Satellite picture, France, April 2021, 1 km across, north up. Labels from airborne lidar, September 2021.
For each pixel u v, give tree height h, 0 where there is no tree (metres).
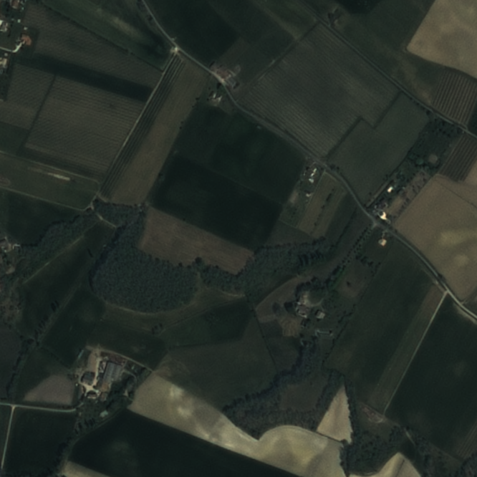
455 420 0
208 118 0
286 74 0
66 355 0
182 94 0
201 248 0
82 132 0
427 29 0
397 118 0
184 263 0
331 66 0
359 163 0
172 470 0
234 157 0
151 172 0
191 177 0
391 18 0
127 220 16
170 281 16
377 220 12
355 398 12
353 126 0
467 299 0
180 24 0
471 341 0
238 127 0
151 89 0
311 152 0
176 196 0
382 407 0
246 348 0
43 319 0
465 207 0
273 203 0
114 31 0
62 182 0
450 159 0
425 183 9
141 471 0
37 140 0
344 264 9
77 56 0
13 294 12
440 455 0
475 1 0
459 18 0
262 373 0
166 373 0
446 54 0
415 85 0
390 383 0
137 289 16
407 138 0
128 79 0
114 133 0
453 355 0
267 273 23
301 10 0
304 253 13
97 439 0
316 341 11
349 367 0
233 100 0
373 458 10
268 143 0
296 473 0
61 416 0
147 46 0
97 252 0
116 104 0
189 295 22
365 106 0
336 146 0
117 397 13
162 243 0
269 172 0
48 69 0
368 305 0
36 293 0
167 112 0
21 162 0
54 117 0
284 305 0
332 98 0
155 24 17
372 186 0
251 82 0
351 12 0
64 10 0
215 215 0
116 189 0
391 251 0
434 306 0
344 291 0
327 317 10
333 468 0
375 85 0
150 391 0
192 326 0
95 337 0
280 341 0
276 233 0
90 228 12
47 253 12
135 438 0
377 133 0
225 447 0
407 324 0
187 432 0
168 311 21
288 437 0
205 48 0
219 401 0
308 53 0
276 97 0
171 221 0
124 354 0
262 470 0
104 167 0
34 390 0
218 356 0
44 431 0
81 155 0
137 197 0
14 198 0
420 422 0
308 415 11
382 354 0
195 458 0
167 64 0
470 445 0
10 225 0
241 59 0
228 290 18
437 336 0
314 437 0
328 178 0
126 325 0
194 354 0
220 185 0
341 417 0
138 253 15
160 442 0
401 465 0
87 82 0
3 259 9
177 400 0
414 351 0
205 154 0
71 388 0
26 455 0
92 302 0
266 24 0
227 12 0
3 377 0
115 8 0
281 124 0
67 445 9
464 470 13
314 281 9
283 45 0
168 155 0
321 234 0
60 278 0
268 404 16
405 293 0
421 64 0
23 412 0
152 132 0
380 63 0
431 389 0
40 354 0
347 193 0
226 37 0
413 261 0
